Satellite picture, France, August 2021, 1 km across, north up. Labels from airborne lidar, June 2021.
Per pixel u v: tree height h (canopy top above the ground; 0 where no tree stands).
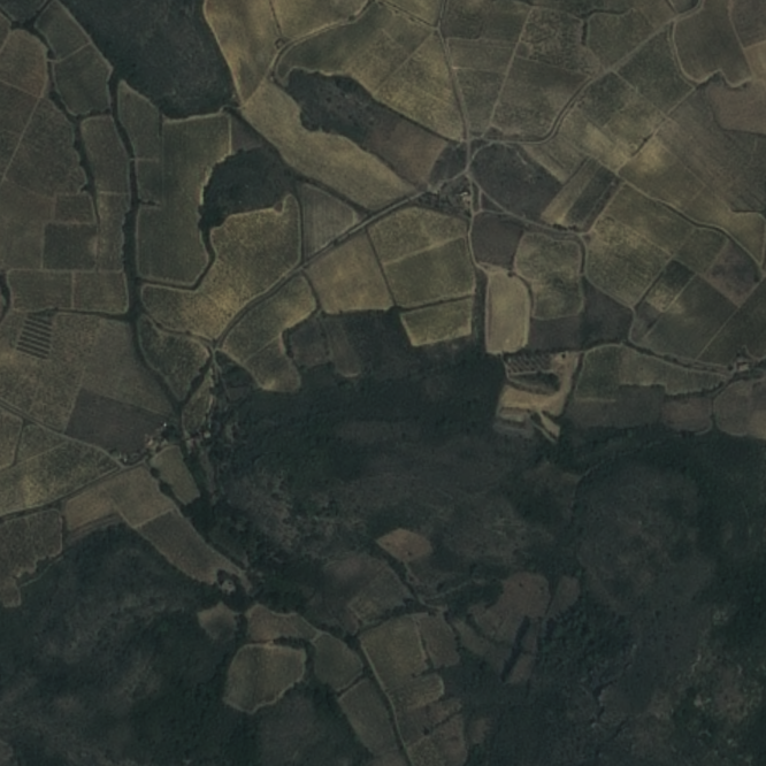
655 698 0
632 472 0
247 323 0
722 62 0
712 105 0
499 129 0
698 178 0
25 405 0
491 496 0
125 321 0
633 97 0
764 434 0
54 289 0
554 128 0
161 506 0
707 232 0
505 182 0
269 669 0
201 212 10
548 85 0
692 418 0
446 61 0
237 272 0
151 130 0
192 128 0
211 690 9
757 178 0
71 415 0
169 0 0
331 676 0
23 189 0
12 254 0
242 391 0
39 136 0
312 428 7
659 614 9
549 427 0
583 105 0
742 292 0
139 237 0
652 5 0
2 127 0
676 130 0
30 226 0
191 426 0
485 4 0
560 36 0
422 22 0
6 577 0
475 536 0
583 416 0
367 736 0
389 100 0
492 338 0
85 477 0
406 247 0
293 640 6
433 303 0
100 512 0
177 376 0
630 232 0
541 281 0
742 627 7
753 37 0
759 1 0
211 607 8
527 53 0
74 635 0
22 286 0
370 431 0
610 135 0
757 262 0
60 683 6
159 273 0
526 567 7
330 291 0
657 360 0
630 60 0
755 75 0
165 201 0
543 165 0
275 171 0
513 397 0
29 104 0
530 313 0
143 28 0
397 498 0
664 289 0
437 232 0
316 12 0
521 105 0
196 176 0
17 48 0
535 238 0
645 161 0
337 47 0
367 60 0
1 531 0
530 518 7
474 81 0
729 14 0
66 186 0
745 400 0
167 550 0
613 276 0
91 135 0
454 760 0
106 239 0
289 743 0
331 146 0
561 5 0
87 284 0
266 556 9
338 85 10
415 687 0
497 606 0
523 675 0
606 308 0
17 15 0
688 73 0
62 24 0
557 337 0
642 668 0
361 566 0
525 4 0
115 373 0
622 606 0
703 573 0
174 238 0
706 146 0
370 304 0
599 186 0
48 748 0
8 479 0
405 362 0
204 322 0
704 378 0
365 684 0
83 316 0
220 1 0
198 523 10
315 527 6
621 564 0
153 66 0
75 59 0
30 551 0
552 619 0
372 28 0
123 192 0
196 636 6
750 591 11
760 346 0
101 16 0
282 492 6
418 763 0
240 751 8
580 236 0
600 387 0
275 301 0
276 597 10
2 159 0
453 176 0
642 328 0
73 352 0
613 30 0
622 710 0
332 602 0
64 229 0
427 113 0
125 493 0
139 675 0
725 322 0
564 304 0
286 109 0
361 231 0
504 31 0
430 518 0
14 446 0
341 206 0
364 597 0
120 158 0
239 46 0
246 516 6
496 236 0
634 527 0
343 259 0
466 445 0
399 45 0
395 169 0
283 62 0
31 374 0
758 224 0
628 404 0
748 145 0
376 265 0
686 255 0
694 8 0
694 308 0
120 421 0
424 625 0
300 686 7
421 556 0
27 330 0
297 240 0
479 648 0
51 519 0
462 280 0
